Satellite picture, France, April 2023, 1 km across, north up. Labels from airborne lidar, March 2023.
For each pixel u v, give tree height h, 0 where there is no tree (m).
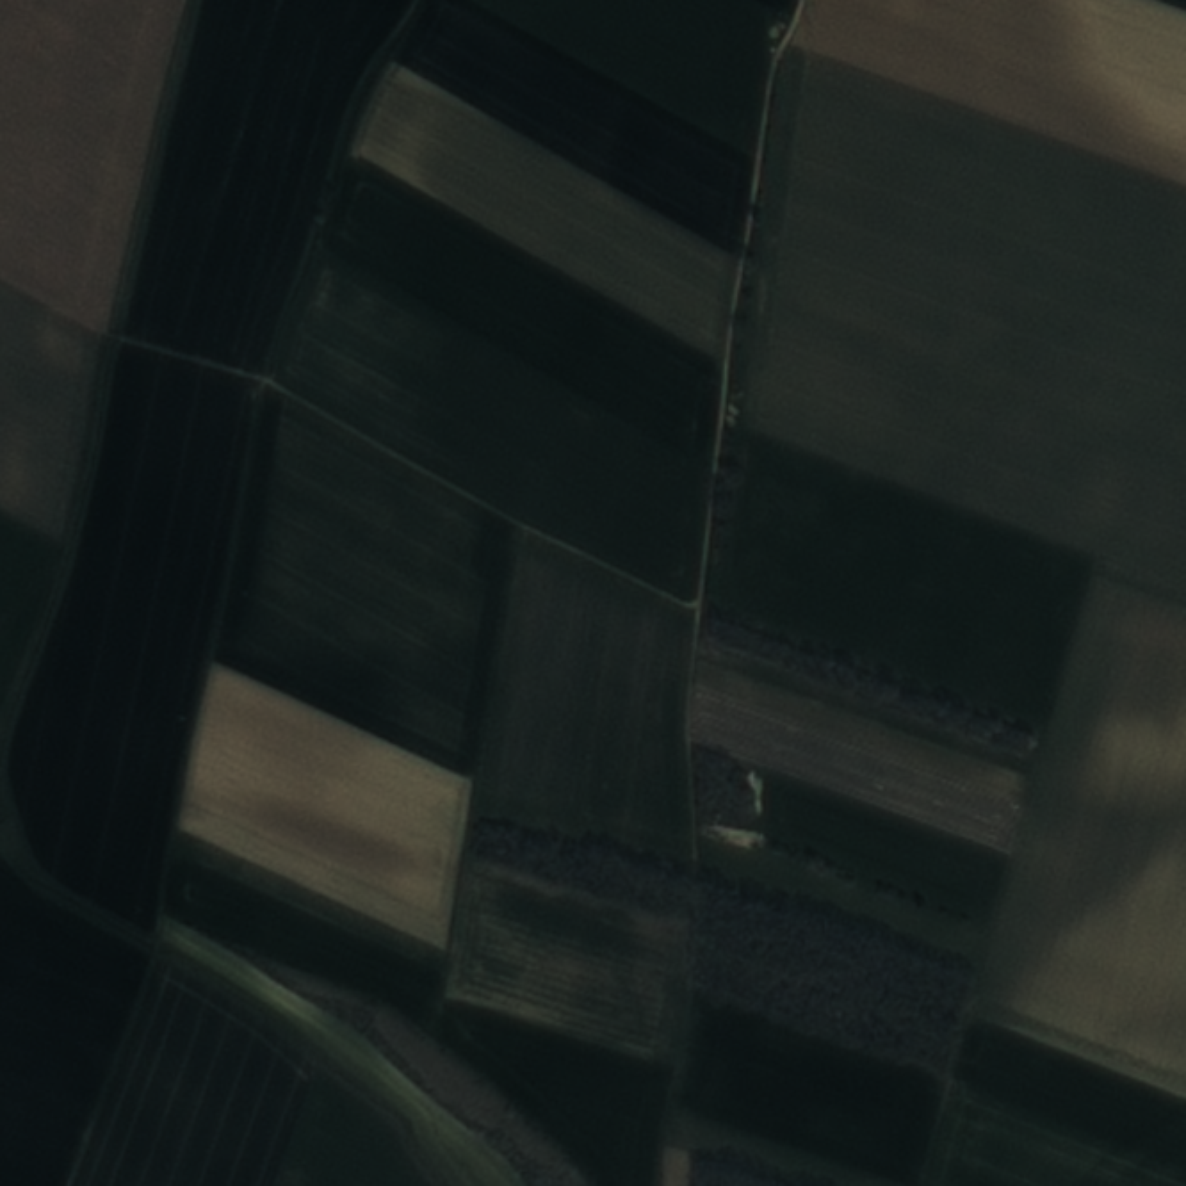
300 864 0
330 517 0
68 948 0
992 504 0
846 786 0
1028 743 9
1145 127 0
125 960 0
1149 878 0
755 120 0
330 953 0
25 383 0
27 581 0
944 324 0
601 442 0
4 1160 0
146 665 0
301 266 0
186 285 0
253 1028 0
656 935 0
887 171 0
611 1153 0
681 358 0
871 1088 0
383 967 0
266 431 0
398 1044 0
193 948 0
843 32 0
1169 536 0
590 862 18
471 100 0
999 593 0
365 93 0
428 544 0
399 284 0
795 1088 0
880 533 0
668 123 0
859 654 0
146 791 0
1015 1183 0
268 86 0
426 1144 0
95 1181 0
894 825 0
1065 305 0
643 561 0
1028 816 0
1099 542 0
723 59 0
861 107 0
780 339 0
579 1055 0
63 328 0
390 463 0
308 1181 0
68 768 0
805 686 0
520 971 0
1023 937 0
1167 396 0
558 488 0
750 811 0
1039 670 0
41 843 0
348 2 0
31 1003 0
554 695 0
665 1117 0
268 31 0
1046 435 0
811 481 0
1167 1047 0
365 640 0
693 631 0
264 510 0
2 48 0
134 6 0
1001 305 0
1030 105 0
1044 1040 0
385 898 0
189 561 0
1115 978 0
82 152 0
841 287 0
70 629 0
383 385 0
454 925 0
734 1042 0
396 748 0
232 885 0
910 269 0
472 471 0
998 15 0
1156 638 0
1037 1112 0
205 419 0
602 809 0
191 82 0
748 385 0
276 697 0
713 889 19
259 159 0
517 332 0
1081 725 0
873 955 22
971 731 12
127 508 0
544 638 0
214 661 0
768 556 0
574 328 0
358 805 0
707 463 0
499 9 0
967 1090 0
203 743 0
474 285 0
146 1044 0
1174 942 0
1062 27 0
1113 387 0
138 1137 0
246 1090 0
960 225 0
